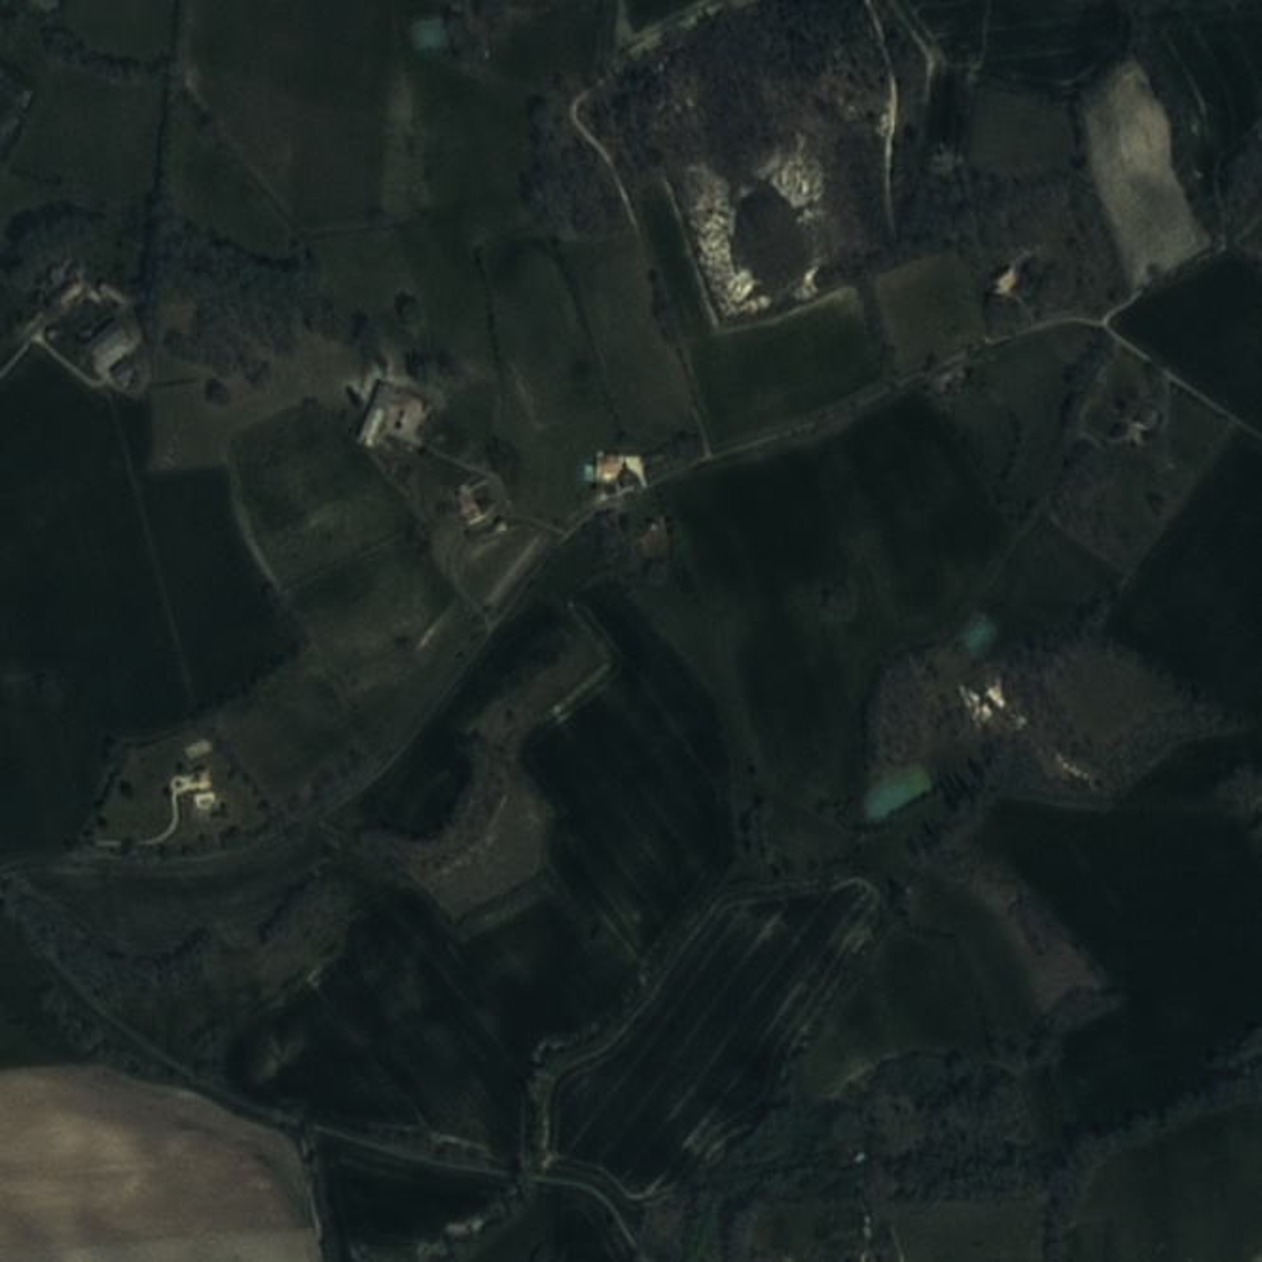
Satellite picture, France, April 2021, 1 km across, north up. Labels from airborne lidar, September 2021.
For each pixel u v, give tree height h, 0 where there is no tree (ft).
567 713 0
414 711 0
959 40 0
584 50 0
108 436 0
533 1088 51
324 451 0
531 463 0
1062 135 0
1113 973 0
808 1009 0
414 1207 0
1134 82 0
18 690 0
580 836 0
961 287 0
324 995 0
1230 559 0
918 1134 0
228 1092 0
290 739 0
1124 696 0
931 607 0
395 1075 0
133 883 0
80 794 0
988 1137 45
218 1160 0
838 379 0
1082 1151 73
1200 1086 0
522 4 0
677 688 0
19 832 0
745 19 32
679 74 25
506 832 0
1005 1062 55
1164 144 0
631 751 0
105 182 0
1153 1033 0
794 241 0
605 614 0
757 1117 0
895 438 0
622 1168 0
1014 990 0
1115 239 55
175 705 0
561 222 63
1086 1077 0
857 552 0
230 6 0
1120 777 27
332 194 0
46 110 0
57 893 0
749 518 0
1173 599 0
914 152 36
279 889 0
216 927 0
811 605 0
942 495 0
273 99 0
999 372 0
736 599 0
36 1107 0
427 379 64
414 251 0
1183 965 0
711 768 0
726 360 0
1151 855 0
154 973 42
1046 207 53
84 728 0
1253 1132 0
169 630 0
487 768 57
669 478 0
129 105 0
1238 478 0
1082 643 58
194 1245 0
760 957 0
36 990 0
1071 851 0
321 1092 0
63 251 42
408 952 0
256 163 0
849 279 45
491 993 0
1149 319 0
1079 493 57
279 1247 0
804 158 0
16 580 0
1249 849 0
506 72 0
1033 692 39
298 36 0
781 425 0
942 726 23
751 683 0
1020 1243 0
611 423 0
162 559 0
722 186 0
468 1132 0
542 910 0
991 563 0
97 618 0
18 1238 0
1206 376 0
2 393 0
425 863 39
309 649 44
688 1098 0
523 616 0
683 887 0
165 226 72
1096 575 0
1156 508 46
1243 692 0
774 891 0
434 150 0
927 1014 0
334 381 0
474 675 0
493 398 0
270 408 0
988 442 0
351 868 0
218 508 0
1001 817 0
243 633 0
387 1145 35
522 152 0
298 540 0
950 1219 0
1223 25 0
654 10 0
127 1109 0
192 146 0
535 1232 0
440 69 0
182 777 24
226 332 71
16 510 0
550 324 0
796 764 0
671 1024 0
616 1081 0
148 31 0
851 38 25
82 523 0
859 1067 0
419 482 0
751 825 49
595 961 0
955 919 0
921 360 0
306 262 32
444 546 0
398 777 0
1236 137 0
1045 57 0
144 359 0
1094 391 53
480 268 27
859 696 0
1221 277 0
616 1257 0
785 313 0
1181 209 0
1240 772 45
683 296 0
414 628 0
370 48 0
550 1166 0
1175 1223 0
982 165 0
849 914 0
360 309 0
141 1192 0
